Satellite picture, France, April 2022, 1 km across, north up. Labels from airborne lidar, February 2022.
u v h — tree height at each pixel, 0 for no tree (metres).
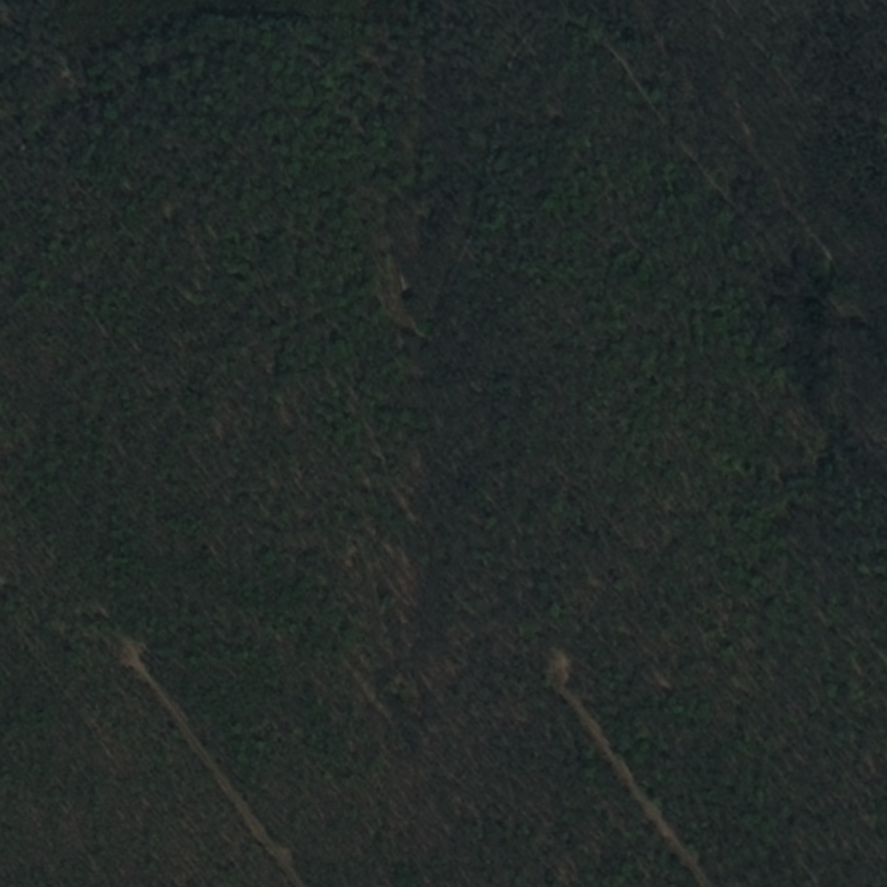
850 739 0
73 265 0
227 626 0
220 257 0
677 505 0
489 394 0
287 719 0
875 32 0
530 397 0
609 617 0
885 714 0
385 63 29
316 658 0
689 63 37
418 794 0
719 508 32
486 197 29
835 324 33
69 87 32
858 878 28
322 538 0
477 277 0
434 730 0
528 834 25
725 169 37
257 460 0
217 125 0
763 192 34
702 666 0
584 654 24
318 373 0
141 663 0
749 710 28
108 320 20
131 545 0
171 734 0
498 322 25
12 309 0
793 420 0
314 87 30
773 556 0
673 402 0
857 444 31
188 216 0
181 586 0
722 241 0
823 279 30
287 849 22
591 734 0
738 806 0
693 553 27
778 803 0
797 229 33
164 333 25
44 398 0
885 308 27
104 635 24
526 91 0
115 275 22
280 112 0
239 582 0
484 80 0
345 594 26
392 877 27
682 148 39
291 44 33
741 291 0
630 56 32
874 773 0
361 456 0
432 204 38
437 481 0
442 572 0
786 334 0
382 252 0
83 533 0
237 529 0
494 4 31
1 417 0
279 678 0
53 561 0
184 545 0
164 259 0
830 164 25
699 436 0
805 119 0
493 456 0
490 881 23
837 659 0
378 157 35
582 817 0
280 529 0
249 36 30
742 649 29
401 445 0
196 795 0
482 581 0
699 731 0
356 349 0
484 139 35
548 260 0
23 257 0
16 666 0
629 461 0
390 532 31
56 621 0
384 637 30
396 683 0
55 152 0
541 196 24
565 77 0
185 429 24
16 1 24
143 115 0
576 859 26
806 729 0
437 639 0
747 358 0
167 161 28
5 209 0
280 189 0
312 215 27
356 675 0
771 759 0
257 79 0
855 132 24
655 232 0
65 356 0
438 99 35
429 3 34
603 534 19
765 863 31
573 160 0
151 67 32
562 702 23
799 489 36
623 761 25
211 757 0
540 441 0
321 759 0
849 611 0
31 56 29
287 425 0
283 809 0
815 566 0
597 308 0
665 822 0
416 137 38
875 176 21
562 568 0
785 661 34
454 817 20
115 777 0
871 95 23
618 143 0
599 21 31
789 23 0
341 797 0
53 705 0
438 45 32
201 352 21
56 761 0
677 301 29
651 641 0
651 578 0
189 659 0
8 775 0
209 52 32
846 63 21
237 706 0
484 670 0
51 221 0
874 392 0
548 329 0
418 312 29
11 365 0
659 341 0
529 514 23
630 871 29
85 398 0
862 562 0
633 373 0
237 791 0
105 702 0
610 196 0
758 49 0
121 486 0
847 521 27
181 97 0
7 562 0
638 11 36
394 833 27
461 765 0
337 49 32
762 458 0
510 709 0
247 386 24
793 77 0
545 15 24
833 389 34
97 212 0
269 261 0
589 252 0
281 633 0
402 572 0
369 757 0
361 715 0
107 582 0
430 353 22
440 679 0
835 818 0
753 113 0
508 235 0
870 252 0
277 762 25
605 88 0
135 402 0
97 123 30
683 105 40
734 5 0
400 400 32
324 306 0
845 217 28
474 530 0
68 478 28
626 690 27
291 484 0
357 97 33
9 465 0
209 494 0
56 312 0
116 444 0
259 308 0
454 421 0
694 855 24
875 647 0
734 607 28
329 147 28
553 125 23
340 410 0
